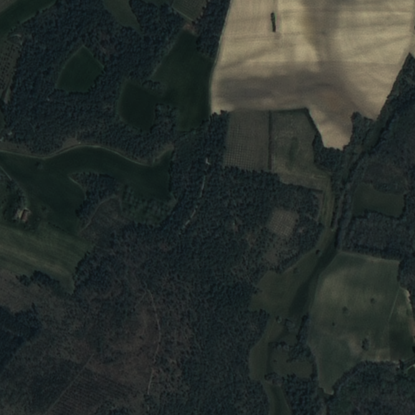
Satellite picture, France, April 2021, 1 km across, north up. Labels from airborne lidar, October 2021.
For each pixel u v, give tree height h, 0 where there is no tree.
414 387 20
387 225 14
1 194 0
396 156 12
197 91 0
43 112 19
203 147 8
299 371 0
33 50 13
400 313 0
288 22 0
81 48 0
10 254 0
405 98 11
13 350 7
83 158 0
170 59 0
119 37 19
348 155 10
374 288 0
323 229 13
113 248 19
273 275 0
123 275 12
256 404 13
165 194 0
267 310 0
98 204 14
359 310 0
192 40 0
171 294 12
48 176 0
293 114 0
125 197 9
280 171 0
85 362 6
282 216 0
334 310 0
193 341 9
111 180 16
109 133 11
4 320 22
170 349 12
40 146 11
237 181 16
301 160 0
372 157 21
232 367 12
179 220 15
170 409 7
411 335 0
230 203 9
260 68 0
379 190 6
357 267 0
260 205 10
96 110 10
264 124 0
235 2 0
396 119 17
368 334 6
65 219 0
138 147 10
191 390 9
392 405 20
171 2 0
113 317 7
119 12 0
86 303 10
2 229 0
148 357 8
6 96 0
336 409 20
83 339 7
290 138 0
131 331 6
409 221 7
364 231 14
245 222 13
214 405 14
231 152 0
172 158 9
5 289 0
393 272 0
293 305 0
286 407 0
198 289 14
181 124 0
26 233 0
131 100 0
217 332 15
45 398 6
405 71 9
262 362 0
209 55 13
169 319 9
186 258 17
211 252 11
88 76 0
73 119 11
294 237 8
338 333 0
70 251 0
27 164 0
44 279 23
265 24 0
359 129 19
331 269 0
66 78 0
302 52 0
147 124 0
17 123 14
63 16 6
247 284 11
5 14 0
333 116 0
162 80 0
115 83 15
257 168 0
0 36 0
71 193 0
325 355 0
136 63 19
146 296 7
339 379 0
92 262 12
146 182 0
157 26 8
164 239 18
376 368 19
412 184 12
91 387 7
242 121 0
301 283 0
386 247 13
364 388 16
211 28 9
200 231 11
